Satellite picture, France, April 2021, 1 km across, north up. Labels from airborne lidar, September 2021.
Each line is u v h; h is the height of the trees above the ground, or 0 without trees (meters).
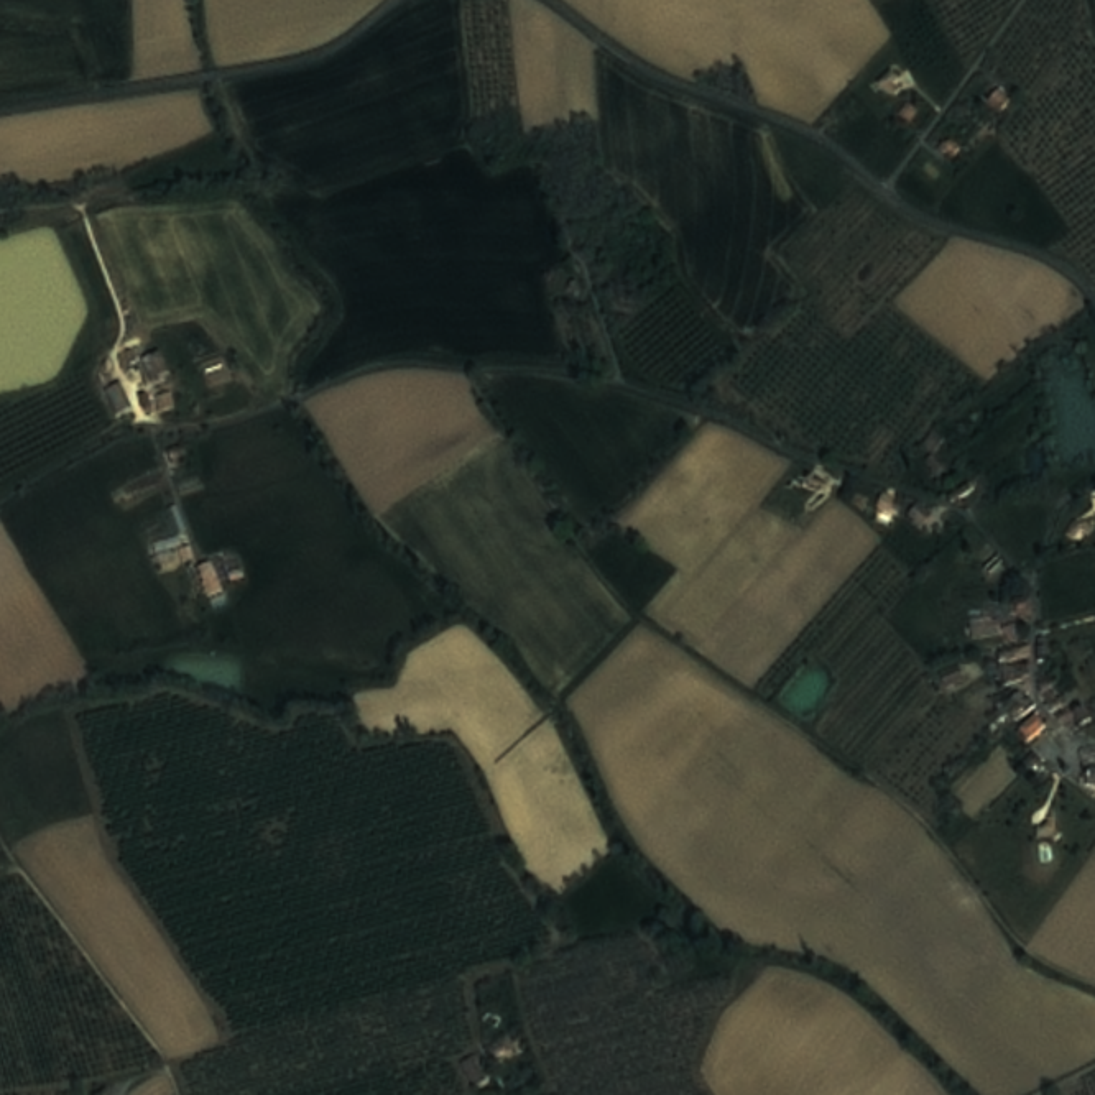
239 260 0
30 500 0
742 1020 0
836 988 0
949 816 6
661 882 15
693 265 0
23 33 0
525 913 7
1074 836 0
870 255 0
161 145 0
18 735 0
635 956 6
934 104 0
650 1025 7
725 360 8
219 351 0
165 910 6
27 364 0
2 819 0
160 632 0
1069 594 0
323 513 0
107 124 0
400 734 9
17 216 16
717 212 0
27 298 0
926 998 0
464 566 0
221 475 0
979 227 0
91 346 0
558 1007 7
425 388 0
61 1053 6
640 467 0
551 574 0
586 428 0
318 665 0
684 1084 5
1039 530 0
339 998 6
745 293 0
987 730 6
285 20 0
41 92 0
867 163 0
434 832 6
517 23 0
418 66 0
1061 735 6
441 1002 6
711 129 0
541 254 0
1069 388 0
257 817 6
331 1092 6
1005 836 0
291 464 0
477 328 0
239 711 26
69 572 0
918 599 0
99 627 0
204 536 0
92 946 0
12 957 6
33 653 0
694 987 7
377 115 0
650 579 0
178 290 0
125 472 0
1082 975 0
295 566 0
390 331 0
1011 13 0
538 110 0
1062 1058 0
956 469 6
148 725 5
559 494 15
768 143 0
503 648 13
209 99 8
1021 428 0
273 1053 6
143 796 6
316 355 0
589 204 21
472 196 0
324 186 0
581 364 8
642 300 15
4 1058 6
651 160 0
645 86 0
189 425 0
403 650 14
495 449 0
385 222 0
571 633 0
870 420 6
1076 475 0
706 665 0
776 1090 0
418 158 0
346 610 0
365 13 0
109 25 0
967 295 0
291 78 0
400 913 7
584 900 0
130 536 0
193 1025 0
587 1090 8
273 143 0
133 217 0
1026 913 0
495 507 0
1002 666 12
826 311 0
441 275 0
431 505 0
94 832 0
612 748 0
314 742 7
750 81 10
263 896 6
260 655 0
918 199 0
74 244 0
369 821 5
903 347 0
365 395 0
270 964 7
